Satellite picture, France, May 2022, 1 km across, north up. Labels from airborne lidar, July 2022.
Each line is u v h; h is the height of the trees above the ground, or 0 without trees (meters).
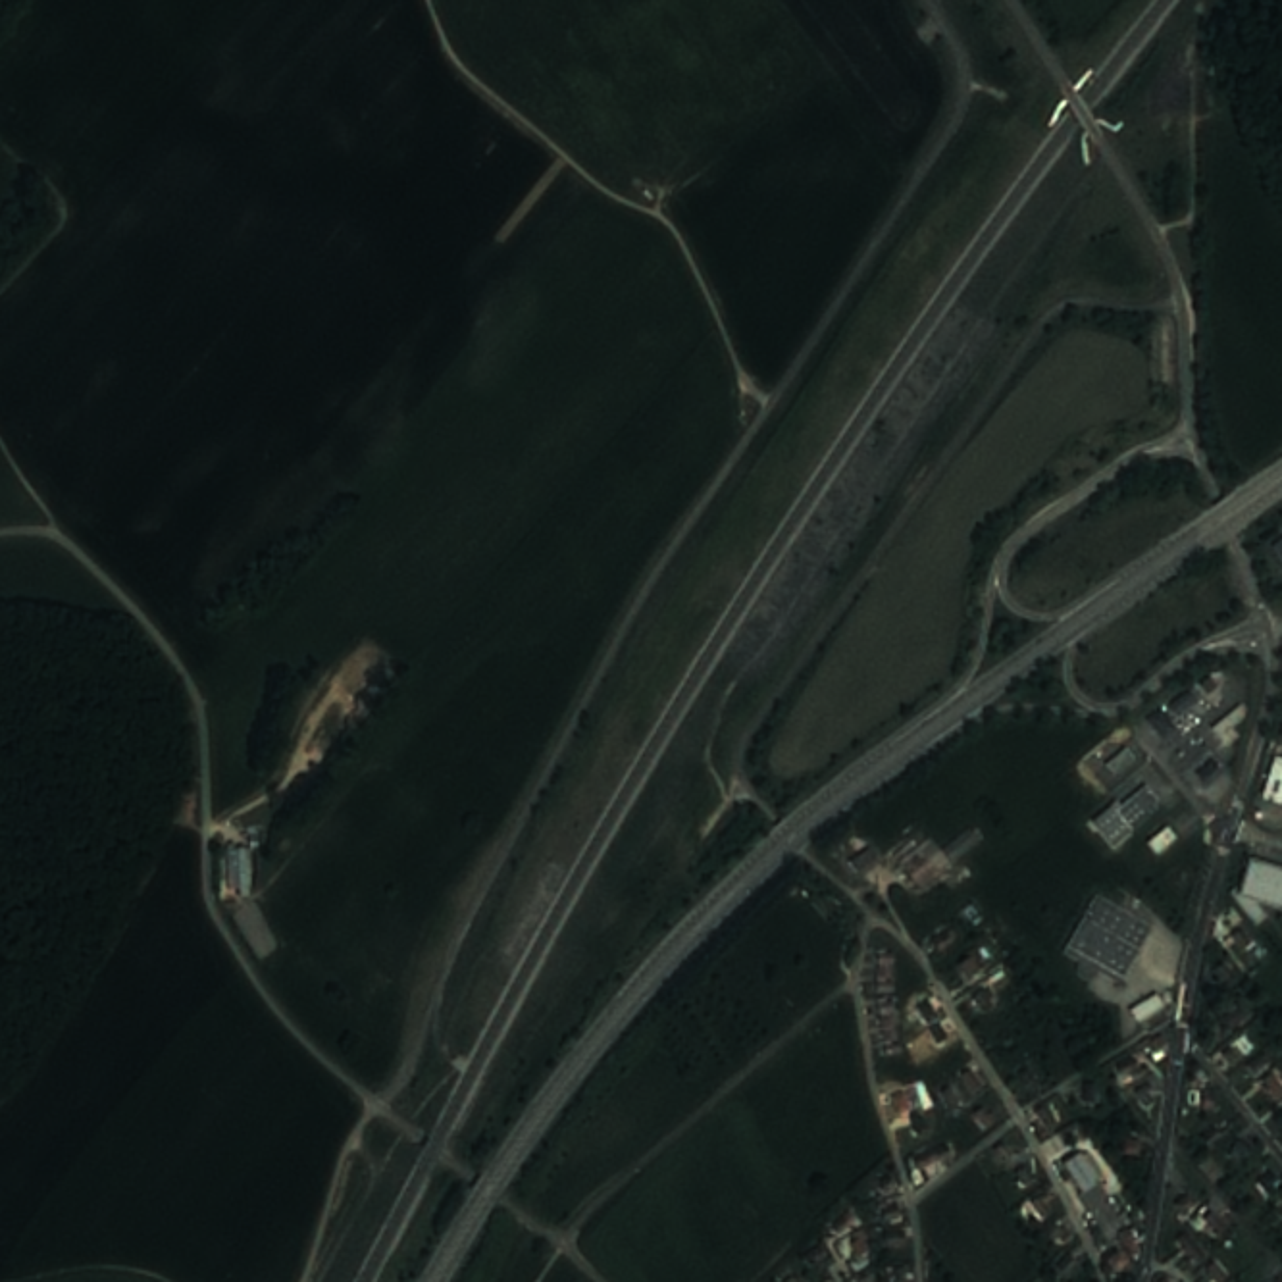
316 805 17
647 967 0
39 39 0
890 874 0
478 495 0
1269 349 0
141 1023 0
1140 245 0
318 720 0
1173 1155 0
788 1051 0
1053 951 0
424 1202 0
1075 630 0
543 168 0
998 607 0
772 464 0
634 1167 0
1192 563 12
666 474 0
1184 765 0
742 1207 0
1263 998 13
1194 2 0
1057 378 0
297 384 0
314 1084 0
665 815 0
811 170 0
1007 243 0
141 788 23
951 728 0
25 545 0
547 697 0
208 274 0
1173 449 0
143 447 0
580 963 0
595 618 0
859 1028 0
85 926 23
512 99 0
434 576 0
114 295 0
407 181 0
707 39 0
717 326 0
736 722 0
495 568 0
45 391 0
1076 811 0
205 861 0
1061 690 13
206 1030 0
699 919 0
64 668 16
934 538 0
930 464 0
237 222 0
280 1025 0
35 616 16
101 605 0
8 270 11
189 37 0
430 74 0
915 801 0
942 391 0
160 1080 0
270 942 0
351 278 0
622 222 0
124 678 18
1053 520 0
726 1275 0
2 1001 15
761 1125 0
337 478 0
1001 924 0
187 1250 0
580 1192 0
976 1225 0
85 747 27
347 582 0
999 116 0
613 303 0
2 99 0
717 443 0
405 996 0
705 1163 0
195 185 0
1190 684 11
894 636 0
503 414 0
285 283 0
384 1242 0
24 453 0
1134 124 0
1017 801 0
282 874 0
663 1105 0
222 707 0
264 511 0
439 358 0
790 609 0
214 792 0
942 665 0
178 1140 0
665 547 0
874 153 0
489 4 0
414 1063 0
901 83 0
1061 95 0
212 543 0
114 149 0
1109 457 10
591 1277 0
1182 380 0
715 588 0
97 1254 0
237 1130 0
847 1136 0
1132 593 0
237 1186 0
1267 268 0
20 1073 13
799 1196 0
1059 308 0
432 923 0
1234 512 0
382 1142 0
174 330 0
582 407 0
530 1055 0
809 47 0
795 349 0
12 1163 0
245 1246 0
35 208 20
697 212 0
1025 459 0
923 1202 0
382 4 0
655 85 0
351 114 0
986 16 11
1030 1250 6
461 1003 0
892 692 0
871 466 0
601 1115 0
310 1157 0
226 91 0
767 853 0
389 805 0
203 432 0
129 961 0
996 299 0
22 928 24
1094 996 0
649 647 0
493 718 0
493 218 0
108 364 0
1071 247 0
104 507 0
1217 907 0
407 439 0
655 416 0
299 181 0
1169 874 0
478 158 0
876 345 0
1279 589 9
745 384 0
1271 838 0
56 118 0
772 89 0
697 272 0
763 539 0
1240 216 0
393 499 0
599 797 0
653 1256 0
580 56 0
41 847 27
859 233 0
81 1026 0
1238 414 0
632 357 0
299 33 0
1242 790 0
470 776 0
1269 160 17
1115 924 0
